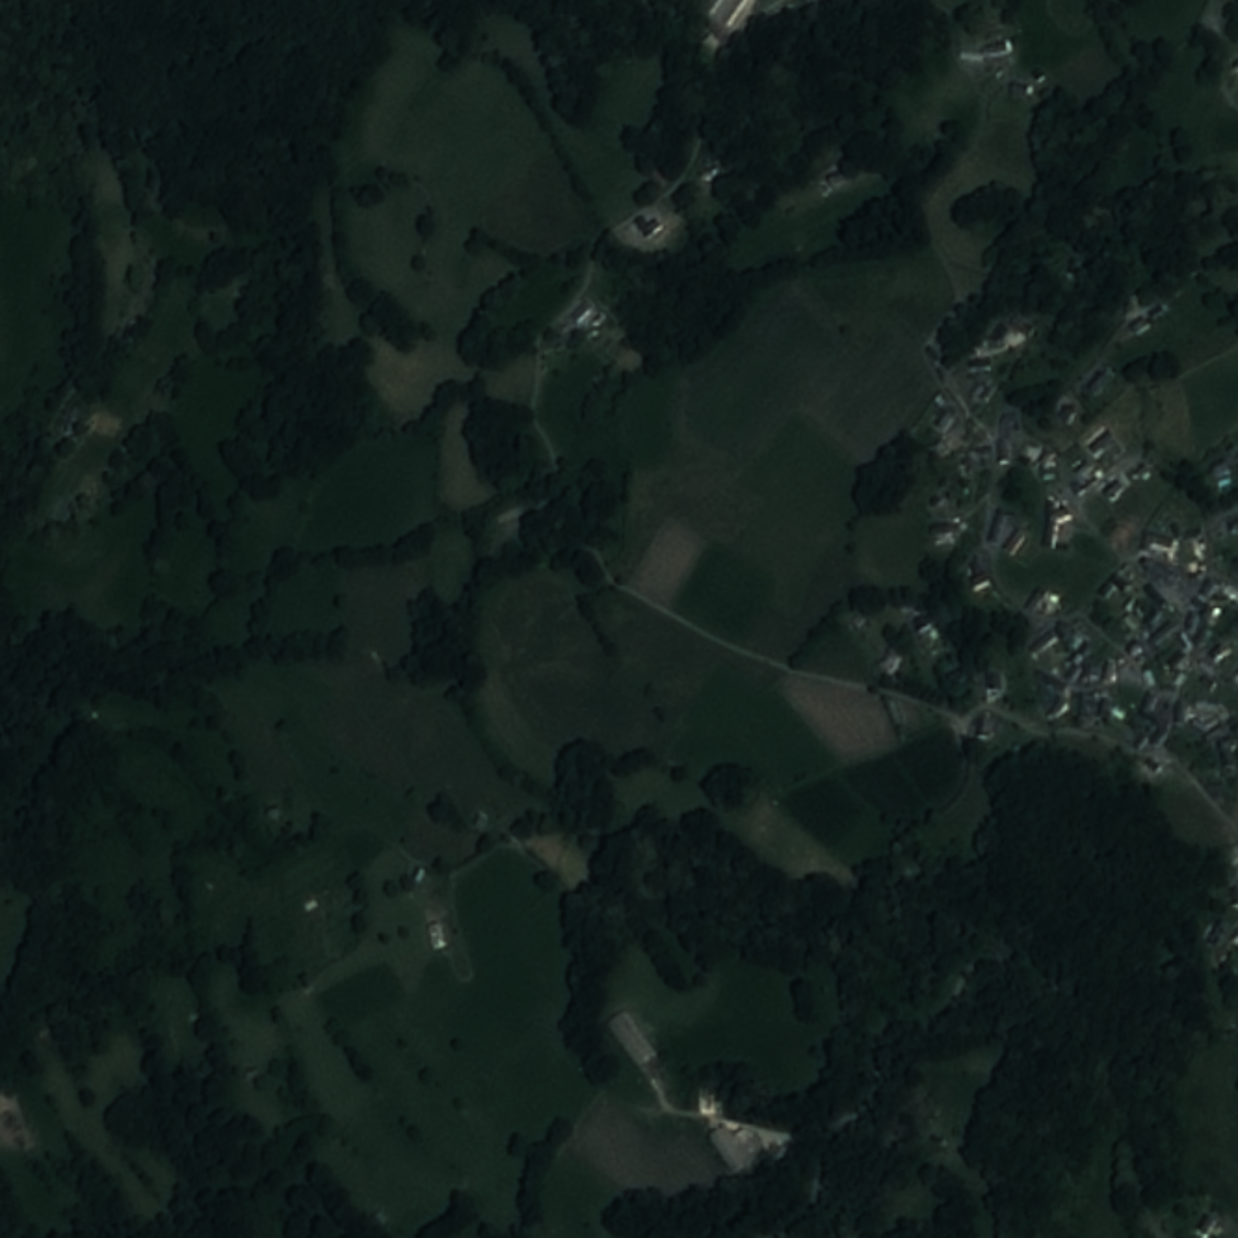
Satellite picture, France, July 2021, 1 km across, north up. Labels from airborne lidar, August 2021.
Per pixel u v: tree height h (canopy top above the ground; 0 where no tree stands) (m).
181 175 29
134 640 8
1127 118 19
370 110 0
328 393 24
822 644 7
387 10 22
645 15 17
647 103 0
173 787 0
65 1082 0
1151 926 26
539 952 0
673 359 7
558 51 23
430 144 0
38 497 9
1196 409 0
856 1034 14
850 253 13
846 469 0
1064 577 0
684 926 23
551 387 0
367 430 12
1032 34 0
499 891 0
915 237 16
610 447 0
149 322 23
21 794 11
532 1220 19
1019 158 0
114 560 0
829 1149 12
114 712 0
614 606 0
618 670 0
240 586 18
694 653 0
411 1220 0
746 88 18
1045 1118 24
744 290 14
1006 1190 27
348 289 9
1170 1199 15
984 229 13
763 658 0
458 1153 0
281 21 21
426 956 0
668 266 21
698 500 0
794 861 0
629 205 0
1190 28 0
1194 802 0
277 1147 12
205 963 19
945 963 21
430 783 0
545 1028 0
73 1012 11
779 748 0
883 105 16
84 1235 14
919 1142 16
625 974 0
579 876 0
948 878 18
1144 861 27
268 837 10
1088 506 0
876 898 24
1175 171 13
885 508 21
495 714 0
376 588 0
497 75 0
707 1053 0
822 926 23
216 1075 10
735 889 27
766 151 28
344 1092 0
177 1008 0
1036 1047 21
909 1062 18
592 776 27
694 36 19
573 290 9
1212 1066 0
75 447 18
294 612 0
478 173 0
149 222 24
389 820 0
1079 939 30
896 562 0
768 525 0
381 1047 0
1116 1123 17
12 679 14
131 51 26
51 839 34
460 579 0
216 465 0
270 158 31
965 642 13
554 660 0
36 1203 0
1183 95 0
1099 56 0
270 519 0
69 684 24
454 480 0
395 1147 0
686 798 0
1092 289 16
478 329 17
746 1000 0
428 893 0
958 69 0
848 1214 18
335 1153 0
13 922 0
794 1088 0
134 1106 14
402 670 9
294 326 18
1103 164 20
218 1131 22
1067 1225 23
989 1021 12
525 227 0
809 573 0
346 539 0
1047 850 25
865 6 23
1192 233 22
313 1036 0
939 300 0
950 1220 23
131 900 9
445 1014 0
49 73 21
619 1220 23
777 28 25
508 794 0
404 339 22
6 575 11
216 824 10
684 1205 17
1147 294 16
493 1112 0
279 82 29
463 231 0
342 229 10
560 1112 0
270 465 7
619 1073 18
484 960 0
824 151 27
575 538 23
